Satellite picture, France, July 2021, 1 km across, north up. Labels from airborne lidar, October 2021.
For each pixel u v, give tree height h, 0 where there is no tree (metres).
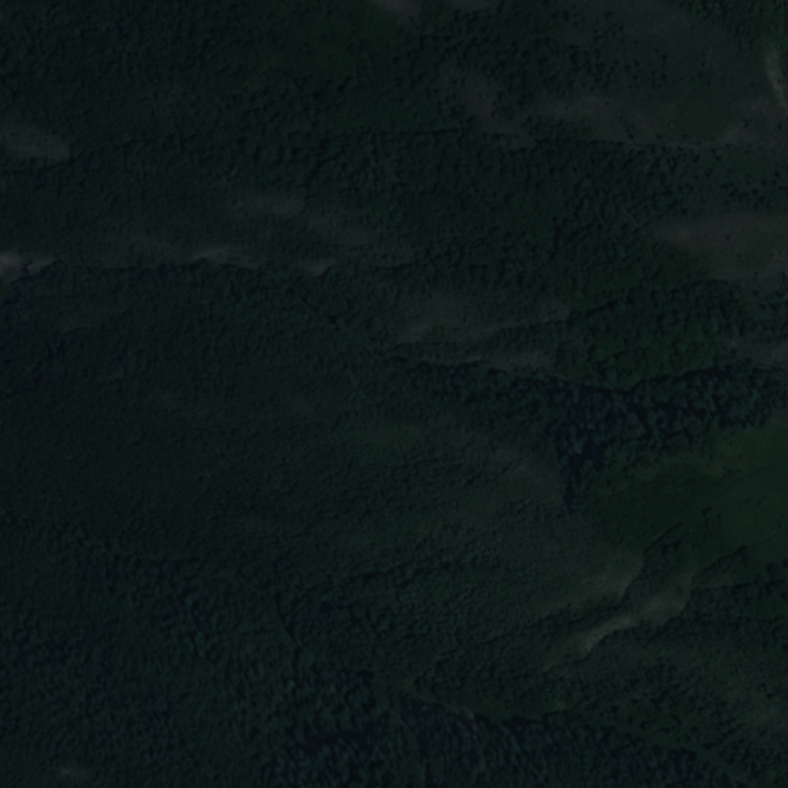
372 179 13
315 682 15
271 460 11
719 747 21
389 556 14
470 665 21
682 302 22
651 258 8
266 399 7
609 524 18
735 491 0
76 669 25
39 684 22
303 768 28
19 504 19
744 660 7
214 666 30
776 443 0
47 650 21
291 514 9
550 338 8
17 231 18
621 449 9
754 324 11
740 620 15
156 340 22
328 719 26
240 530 13
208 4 19
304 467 13
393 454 12
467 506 7
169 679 17
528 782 14
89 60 27
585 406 18
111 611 23
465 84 9
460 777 25
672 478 8
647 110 0
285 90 17
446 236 12
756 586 13
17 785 17
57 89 24
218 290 15
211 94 22
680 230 0
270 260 6
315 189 16
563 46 9
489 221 10
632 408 24
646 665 7
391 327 8
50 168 23
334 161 21
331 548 15
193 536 20
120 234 7
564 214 15
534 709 11
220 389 10
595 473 12
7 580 28
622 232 16
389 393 10
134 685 24
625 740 20
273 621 10
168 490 20
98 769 9
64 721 15
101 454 21
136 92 23
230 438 17
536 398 15
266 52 16
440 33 6
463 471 14
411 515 7
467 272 24
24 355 25
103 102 20
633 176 25
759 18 15
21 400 18
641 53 0
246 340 19
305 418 7
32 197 20
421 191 15
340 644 6
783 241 0
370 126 11
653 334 23
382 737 14
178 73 20
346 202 15
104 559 26
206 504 25
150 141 23
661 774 22
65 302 12
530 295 7
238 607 14
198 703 20
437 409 11
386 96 10
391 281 11
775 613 7
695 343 12
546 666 7
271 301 16
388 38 7
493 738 13
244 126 17
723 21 11
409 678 21
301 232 10
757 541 0
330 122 15
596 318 21
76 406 25
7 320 14
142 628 23
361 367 14
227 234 12
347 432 10
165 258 6
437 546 8
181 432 17
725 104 0
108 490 20
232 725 22
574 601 7
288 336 20
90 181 18
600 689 17
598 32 8
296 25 9
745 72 0
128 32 21
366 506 14
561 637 7
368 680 9
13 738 14
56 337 19
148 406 9
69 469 22
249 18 21
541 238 9
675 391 31
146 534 24
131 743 11
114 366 13
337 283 10
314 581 19
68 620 25
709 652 7
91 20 24
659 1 0
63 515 21
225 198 9
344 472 17
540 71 12
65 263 19
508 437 7
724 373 10
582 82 0
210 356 6
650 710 7
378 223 9
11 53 28
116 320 12
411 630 6
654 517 9
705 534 7
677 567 10
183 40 22
